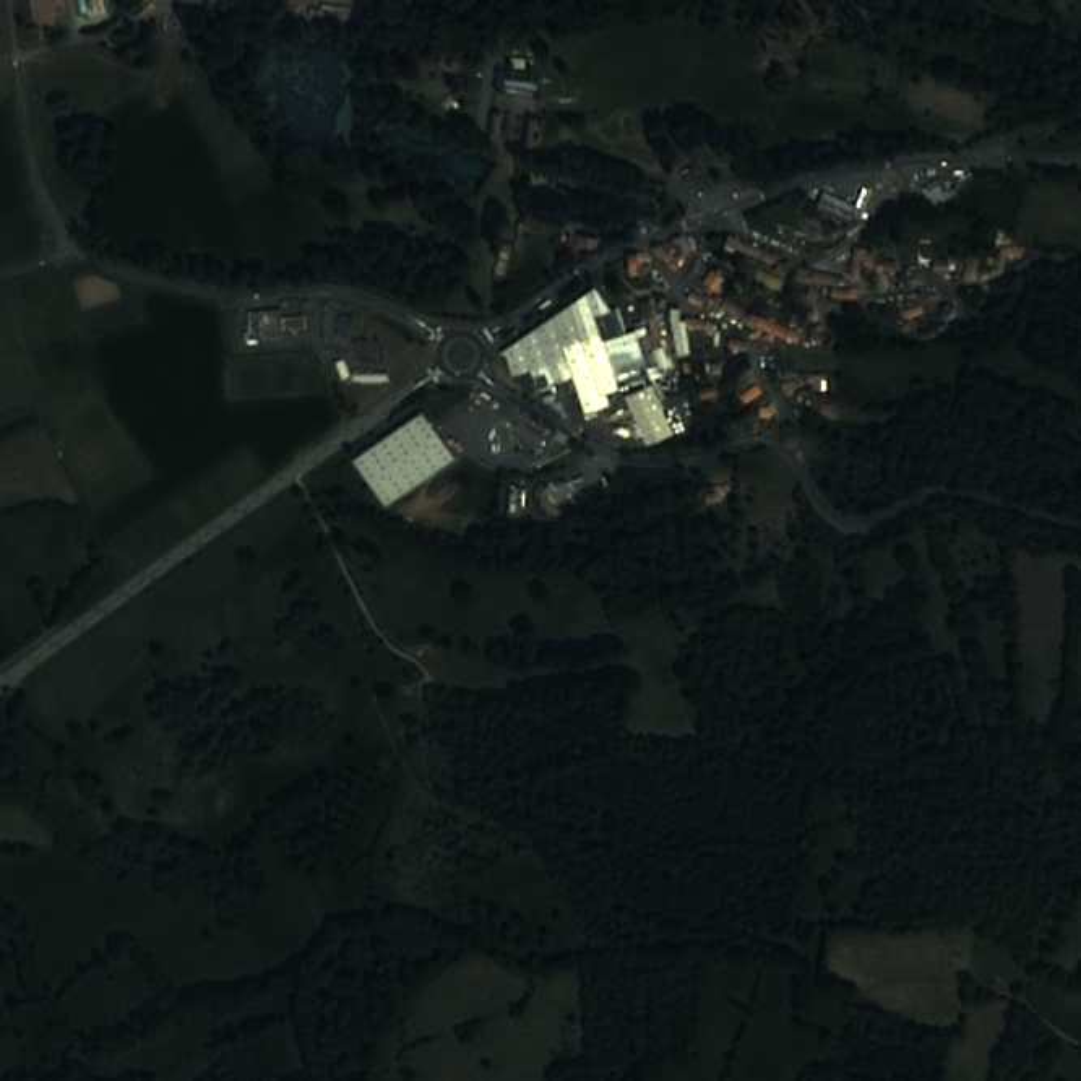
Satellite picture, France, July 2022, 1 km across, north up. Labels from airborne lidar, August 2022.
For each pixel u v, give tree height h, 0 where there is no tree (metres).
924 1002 0
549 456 0
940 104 0
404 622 0
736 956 21
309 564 0
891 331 0
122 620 0
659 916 15
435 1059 0
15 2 0
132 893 0
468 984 0
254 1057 18
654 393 0
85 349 0
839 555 16
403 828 0
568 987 0
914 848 18
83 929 0
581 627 0
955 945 0
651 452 8
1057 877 16
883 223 13
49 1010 19
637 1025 25
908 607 23
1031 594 0
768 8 15
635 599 15
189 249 0
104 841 7
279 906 0
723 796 14
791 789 10
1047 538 12
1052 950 15
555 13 29
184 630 0
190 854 21
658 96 0
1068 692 15
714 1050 0
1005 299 14
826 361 0
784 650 15
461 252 31
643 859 15
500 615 0
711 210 0
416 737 14
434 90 0
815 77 0
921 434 20
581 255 9
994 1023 0
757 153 33
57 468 0
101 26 9
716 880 14
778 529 0
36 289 0
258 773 0
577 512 20
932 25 20
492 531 17
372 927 12
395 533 15
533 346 0
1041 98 20
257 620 0
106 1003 0
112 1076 0
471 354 0
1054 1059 17
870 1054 8
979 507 13
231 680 20
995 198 0
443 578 0
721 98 0
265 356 0
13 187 0
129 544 0
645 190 7
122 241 0
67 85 0
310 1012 14
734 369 7
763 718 20
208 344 0
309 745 10
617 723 16
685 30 0
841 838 0
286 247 0
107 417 0
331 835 18
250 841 20
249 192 0
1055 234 0
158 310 0
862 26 23
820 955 11
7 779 14
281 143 12
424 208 15
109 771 0
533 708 27
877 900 17
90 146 22
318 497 8
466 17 33
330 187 0
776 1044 0
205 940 8
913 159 0
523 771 18
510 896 0
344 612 0
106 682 0
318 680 0
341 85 0
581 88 0
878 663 24
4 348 0
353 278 19
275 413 0
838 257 0
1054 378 9
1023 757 14
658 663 0
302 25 30
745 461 0
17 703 20
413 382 0
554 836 13
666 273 0
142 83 0
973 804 12
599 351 0
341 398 8
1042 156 0
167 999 22
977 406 24
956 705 14
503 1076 0
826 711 28
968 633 12
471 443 0
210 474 0
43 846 0
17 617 0
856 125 0
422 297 23
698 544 15
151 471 0
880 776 19
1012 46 21
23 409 0
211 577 0
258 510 0
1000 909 16
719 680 22
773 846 12
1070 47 16
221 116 0
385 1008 19
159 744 0
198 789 0
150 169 0
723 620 14
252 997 22
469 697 13
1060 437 24
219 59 21
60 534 0
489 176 7
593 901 13
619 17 23
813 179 0
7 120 0
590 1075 14
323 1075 21
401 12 31
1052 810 18
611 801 14
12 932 18
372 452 0
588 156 23
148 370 0
